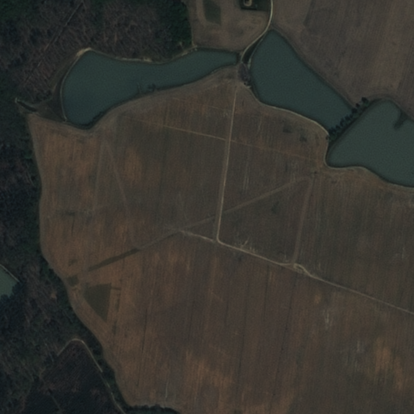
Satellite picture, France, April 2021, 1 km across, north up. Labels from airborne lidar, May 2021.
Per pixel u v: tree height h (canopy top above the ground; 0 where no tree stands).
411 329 0
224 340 0
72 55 0
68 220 0
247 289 0
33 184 6
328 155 0
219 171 0
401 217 0
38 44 22
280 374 0
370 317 0
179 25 19
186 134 0
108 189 0
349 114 0
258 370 0
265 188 0
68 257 0
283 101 0
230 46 0
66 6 10
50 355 17
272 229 0
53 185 0
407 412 0
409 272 0
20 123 19
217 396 0
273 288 0
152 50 16
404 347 0
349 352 0
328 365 0
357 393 0
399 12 0
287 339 0
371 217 0
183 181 0
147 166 0
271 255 0
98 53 0
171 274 0
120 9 15
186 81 0
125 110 0
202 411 0
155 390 0
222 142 0
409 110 0
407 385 0
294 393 0
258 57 0
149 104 0
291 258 0
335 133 13
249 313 0
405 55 0
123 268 0
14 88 18
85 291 0
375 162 0
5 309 22
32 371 19
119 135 0
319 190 0
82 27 12
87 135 0
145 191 0
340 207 0
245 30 0
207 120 0
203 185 0
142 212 0
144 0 15
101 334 0
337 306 0
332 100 0
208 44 0
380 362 0
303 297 0
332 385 0
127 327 0
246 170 0
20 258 21
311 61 0
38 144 0
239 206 0
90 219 0
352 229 0
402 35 0
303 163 0
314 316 0
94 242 0
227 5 0
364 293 0
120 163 0
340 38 0
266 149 0
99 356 19
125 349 0
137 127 0
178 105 0
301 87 0
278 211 0
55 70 13
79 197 0
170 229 0
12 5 23
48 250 0
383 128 0
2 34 22
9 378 20
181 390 0
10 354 20
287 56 0
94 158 0
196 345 0
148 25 14
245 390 0
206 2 0
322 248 0
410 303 0
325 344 0
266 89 0
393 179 0
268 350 0
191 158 0
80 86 0
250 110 0
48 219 0
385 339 0
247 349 0
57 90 0
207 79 0
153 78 0
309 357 0
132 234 0
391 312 0
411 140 0
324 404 0
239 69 0
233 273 0
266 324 0
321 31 0
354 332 0
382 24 0
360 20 0
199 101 0
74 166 0
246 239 0
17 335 18
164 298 0
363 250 0
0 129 16
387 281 0
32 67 9
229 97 0
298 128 0
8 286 0
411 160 0
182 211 0
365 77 0
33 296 14
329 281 0
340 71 0
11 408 19
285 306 0
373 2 0
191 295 0
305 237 0
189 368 0
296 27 0
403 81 0
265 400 0
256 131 0
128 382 0
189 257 0
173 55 14
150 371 0
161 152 0
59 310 18
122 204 0
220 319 0
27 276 20
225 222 0
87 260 0
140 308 0
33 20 18
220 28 0
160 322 0
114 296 0
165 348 0
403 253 0
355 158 0
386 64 0
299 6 0
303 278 0
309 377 0
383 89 0
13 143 20
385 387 0
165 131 0
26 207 25
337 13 0
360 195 0
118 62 0
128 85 0
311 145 0
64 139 0
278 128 0
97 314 0
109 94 0
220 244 0
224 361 0
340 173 0
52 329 17
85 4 13
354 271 0
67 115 0
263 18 0
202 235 0
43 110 0
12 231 17
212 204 0
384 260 0
